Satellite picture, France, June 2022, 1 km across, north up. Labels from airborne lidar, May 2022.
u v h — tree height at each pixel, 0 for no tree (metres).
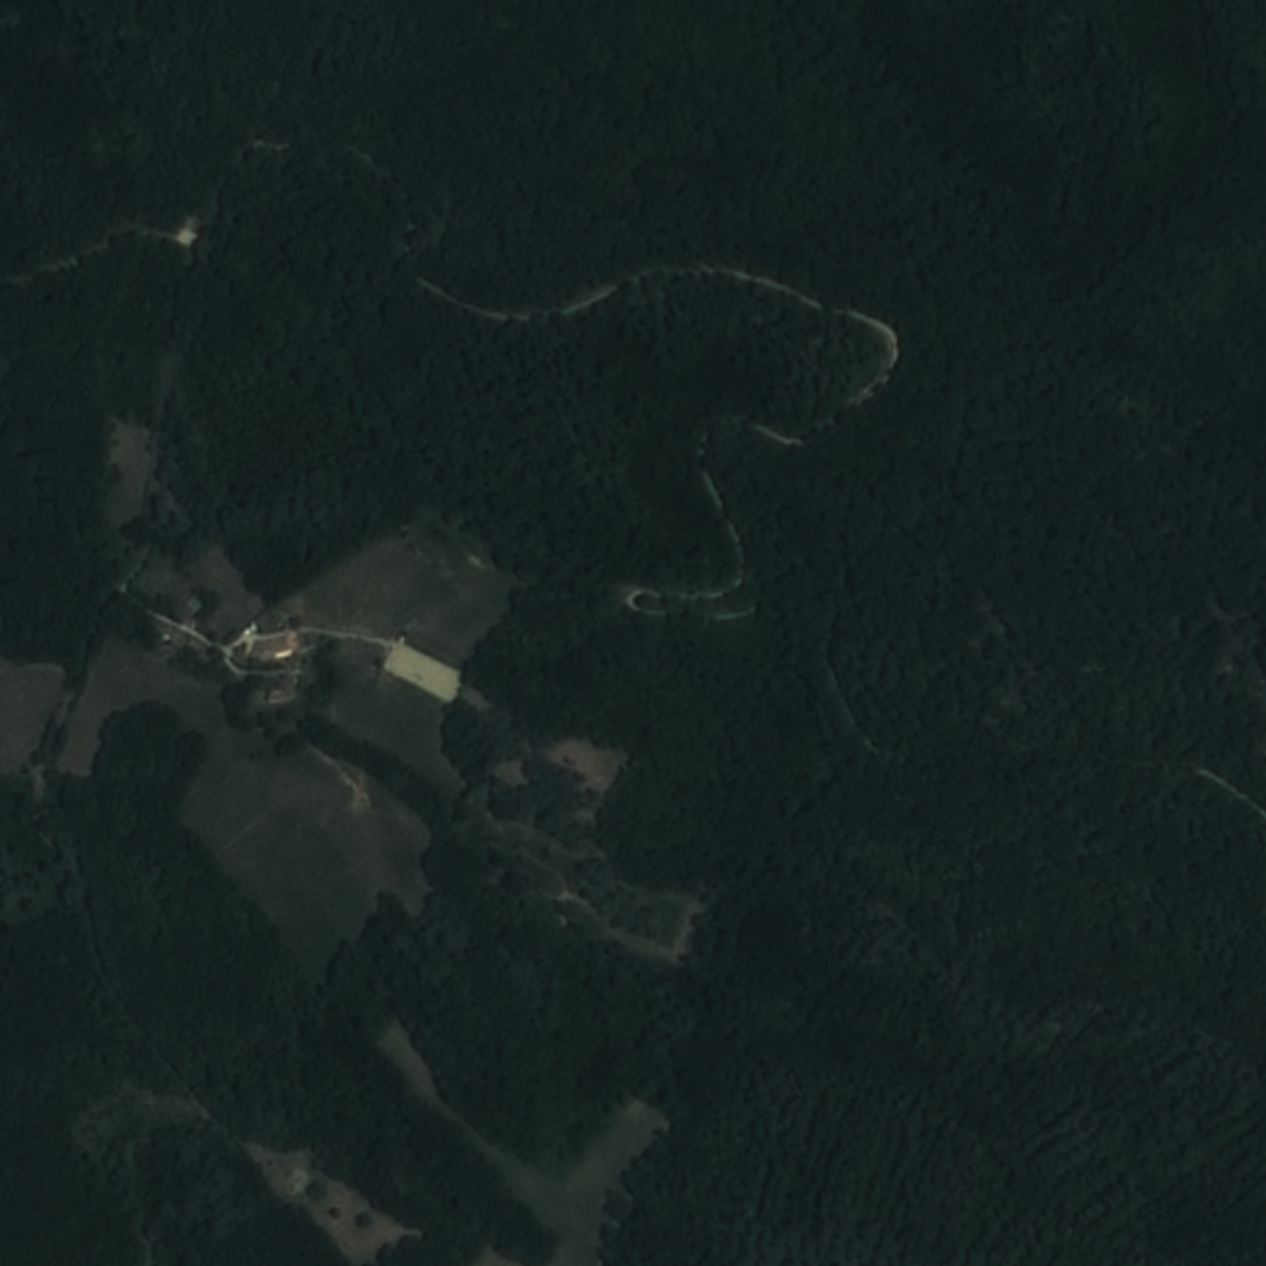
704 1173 17
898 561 30
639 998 12
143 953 18
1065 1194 13
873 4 8
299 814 0
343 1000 5
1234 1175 14
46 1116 11
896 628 28
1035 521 26
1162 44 9
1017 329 26
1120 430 26
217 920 20
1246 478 27
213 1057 21
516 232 18
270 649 0
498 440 20
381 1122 21
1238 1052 10
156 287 11
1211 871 18
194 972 19
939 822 25
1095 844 24
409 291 15
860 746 25
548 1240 24
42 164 20
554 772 21
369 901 0
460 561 0
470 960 15
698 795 22
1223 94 10
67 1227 13
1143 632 26
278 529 29
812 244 14
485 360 20
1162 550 16
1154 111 17
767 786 24
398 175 16
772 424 15
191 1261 27
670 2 21
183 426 14
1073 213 17
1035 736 24
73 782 13
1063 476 29
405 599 0
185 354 11
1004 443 28
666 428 9
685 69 21
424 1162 25
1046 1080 16
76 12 21
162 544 12
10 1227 11
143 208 12
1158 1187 10
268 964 18
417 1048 16
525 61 23
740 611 11
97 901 19
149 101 20
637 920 22
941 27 6
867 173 20
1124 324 24
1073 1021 24
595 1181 0
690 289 19
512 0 25
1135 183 7
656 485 9
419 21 14
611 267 21
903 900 24
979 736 25
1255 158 22
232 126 16
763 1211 13
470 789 13
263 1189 17
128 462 0
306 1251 15
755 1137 14
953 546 33
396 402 22
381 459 22
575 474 17
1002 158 8
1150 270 24
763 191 15
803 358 20
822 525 26
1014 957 19
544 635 16
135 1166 11
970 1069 15
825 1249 24
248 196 19
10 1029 12
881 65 23
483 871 25
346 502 17
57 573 23
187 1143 19
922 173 27
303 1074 22
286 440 12
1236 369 16
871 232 18
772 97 22
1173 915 21
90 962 14
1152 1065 11
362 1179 14
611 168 15
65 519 26
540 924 18
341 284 20
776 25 20
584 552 8
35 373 21
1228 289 14
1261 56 15
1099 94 14
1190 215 25
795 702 7
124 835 21
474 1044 11
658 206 23
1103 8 18
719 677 25
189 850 21
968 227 22
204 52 17
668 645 23
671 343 25
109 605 11
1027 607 24
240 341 28
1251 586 29
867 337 18
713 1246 16
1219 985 11
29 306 23
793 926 12
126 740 16
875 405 18
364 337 25
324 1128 21
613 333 7
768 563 27
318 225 21
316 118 13
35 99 12
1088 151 13
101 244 9
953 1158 14
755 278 18
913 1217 14
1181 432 11
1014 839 21
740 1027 18
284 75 13
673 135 26
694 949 11
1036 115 17
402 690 0
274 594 17
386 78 17
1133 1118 17
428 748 0
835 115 19
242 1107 20
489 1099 11
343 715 0
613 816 19
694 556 19
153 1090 9
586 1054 10
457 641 0
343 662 0
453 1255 24
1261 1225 14
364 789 0
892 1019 6
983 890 24
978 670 25
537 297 16
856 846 21
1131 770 16
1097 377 26
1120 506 27
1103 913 17
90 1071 16
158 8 25
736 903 28
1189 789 19
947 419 24
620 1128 0
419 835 0
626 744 15
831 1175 14
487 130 24
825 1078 7
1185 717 20
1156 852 24
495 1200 30
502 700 19
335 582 0
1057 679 17
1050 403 31
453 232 15
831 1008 12
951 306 25
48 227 14
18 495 27
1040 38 17
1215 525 13
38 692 0
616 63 20
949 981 16
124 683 0
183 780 22
